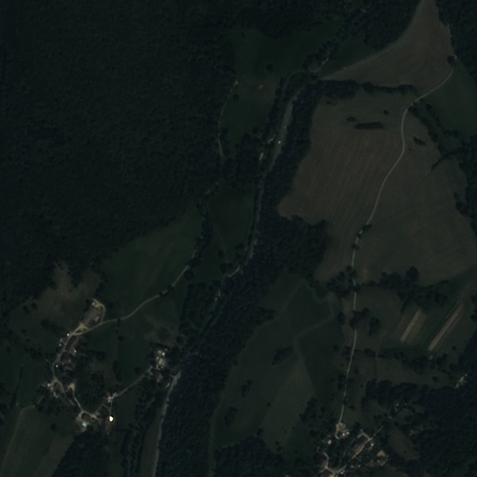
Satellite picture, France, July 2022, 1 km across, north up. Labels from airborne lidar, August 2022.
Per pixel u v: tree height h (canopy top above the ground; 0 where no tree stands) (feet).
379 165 0
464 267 0
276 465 70
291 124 0
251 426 0
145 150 70
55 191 59
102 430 17
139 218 37
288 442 0
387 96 0
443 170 0
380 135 0
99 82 54
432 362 17
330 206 0
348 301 0
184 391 61
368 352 39
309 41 0
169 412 24
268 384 0
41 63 39
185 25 86
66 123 59
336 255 0
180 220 0
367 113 0
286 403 0
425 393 49
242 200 0
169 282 0
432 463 30
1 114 58
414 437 33
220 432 0
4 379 0
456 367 48
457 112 0
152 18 67
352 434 24
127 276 0
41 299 0
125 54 55
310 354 0
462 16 34
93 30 57
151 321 0
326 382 0
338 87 88
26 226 83
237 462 60
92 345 0
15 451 0
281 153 0
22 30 52
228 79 55
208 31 42
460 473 0
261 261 85
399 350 0
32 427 0
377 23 34
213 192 54
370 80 0
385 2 70
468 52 38
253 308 75
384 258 0
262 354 0
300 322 0
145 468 0
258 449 91
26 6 38
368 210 0
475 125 0
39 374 0
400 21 50
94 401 27
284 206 0
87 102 53
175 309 0
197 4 78
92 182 68
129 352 0
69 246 28
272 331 0
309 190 0
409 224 0
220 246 0
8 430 0
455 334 0
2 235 79
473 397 75
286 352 55
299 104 55
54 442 0
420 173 0
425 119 36
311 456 0
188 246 0
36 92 54
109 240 74
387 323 0
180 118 58
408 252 0
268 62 0
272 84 0
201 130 49
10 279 43
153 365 34
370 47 47
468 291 0
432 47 0
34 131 49
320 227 51
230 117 0
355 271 29
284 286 0
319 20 22
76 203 66
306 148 59
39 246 75
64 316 0
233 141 0
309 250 25
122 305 0
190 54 88
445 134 28
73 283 25
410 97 0
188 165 27
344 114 0
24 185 54
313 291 0
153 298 0
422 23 0
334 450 22
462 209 59
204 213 45
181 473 19
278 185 54
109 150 62
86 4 52
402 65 0
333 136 0
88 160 71
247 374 0
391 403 43
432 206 0
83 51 58
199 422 52
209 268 0
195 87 75
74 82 48
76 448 64
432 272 0
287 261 47
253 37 0
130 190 67
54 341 0
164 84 60
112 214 71
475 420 68
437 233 0
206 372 77
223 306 26
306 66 51
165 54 49
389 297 0
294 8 66
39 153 64
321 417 30
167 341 0
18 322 0
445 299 30
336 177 0
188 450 38
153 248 0
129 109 60
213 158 71
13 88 54
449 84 0
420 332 0
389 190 0
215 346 98
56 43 52
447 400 83
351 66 0
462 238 0
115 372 39
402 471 25
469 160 65
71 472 62
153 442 0
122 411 0
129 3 56
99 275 22
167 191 59
